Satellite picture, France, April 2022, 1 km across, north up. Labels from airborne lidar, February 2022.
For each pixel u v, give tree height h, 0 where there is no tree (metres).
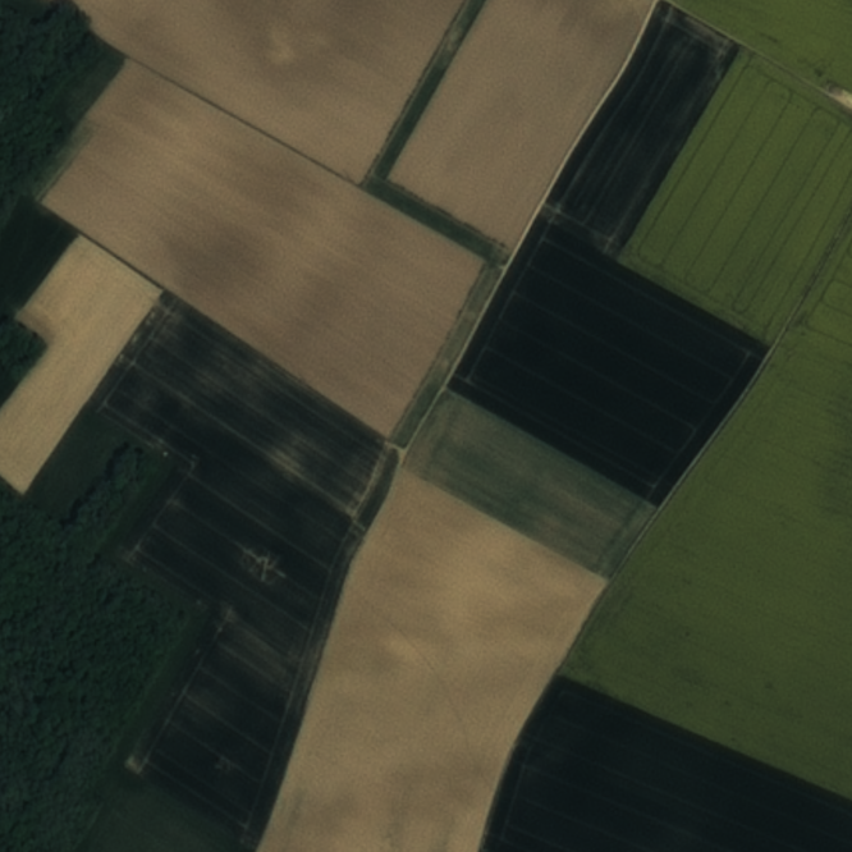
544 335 0
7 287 0
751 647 0
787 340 0
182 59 0
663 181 0
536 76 0
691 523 0
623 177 0
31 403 0
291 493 0
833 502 0
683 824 0
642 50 0
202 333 0
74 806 21
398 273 0
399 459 0
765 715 0
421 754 0
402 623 0
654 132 0
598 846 0
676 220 0
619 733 0
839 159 0
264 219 0
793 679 0
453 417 0
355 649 0
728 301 0
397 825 0
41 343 18
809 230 0
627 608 0
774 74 0
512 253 0
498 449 0
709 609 0
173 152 0
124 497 18
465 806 0
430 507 0
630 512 0
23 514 21
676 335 0
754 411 0
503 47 0
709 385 0
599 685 0
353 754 0
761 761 0
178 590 0
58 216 0
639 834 0
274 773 0
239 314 0
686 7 0
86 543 21
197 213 0
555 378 0
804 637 0
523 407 0
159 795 0
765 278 0
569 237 0
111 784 0
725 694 0
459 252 0
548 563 0
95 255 0
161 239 0
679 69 0
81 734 22
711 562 0
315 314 0
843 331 0
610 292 0
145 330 0
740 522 0
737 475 0
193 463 0
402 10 0
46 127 21
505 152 0
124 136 0
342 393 0
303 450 0
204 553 0
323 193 0
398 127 0
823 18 0
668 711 0
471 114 0
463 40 0
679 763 0
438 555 0
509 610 0
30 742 16
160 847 0
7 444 0
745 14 0
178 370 0
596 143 0
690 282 0
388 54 0
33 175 16
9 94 27
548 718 0
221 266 0
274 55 0
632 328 0
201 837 0
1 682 27
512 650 0
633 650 0
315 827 0
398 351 0
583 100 0
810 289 0
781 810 0
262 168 0
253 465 0
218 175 0
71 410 0
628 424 0
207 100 0
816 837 0
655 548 0
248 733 0
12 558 26
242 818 0
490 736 0
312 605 0
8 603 28
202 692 0
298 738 0
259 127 0
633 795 0
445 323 0
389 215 0
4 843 25
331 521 0
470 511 0
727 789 0
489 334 0
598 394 0
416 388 0
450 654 0
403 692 0
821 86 0
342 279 0
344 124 0
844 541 0
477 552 0
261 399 0
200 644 0
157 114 0
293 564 0
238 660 0
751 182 0
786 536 0
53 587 24
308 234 0
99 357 0
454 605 0
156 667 17
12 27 24
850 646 0
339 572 0
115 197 0
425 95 0
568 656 0
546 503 0
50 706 24
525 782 0
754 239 0
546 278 0
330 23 0
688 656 0
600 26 0
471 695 0
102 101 0
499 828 0
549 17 0
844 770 0
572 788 0
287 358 0
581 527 0
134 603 24
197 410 0
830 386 0
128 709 20
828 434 0
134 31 0
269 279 0
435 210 0
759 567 0
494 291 0
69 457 0
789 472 0
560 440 0
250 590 0
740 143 0
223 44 0
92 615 25
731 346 0
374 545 0
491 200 0
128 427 0
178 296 0
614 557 0
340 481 0
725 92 0
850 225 0
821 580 0
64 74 24
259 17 0
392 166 0
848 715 0
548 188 0
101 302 0
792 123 0
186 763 0
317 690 0
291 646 0
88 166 0
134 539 0
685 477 0
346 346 0
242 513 0
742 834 0
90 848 0
